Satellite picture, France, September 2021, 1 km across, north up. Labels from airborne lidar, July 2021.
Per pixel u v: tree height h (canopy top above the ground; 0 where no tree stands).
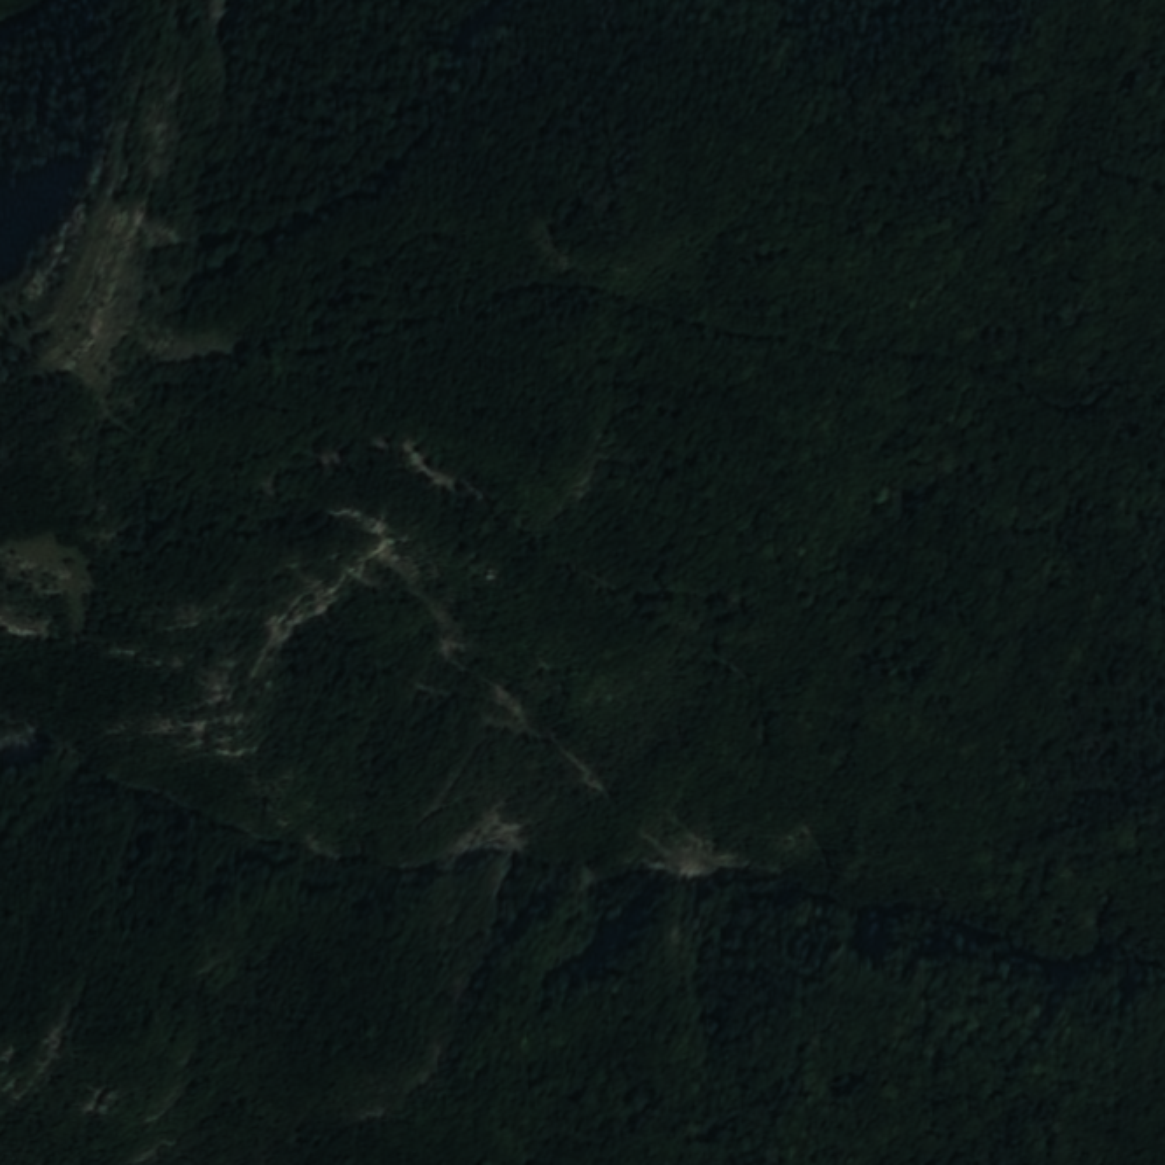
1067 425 30
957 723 19
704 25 25
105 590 15
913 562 37
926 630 36
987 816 31
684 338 30
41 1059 9
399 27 31
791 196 31
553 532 17
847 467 22
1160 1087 24
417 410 23
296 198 21
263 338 14
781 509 27
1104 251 35
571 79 23
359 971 34
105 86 11
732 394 27
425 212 18
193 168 11
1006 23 33
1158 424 32
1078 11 26
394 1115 11
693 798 20
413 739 22
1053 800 23
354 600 16
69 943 24
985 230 31
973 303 30
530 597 23
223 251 31
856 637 31
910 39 33
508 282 28
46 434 16
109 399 11
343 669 24
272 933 22
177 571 27
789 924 30
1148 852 36
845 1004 24
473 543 16
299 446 17
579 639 16
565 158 26
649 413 33
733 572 24
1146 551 29
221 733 9
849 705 23
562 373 21
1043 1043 25
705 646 14
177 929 18
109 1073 15
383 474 21
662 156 17
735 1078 22
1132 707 7
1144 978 27
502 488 25
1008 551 34
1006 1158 24
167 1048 15
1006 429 28
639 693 16
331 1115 18
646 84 26
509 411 24
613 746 15
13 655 21
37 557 0
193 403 19
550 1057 23
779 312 26
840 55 28
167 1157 18
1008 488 34
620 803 24
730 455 27
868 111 25
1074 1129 26
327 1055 28
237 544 27
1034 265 36
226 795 10
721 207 20
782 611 28
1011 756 26
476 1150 27
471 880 10
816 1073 34
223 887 19
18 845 22
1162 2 30
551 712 26
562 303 30
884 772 20
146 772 10
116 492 10
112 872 30
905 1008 24
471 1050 27
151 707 10
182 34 16
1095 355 21
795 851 8
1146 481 29
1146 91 35
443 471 20
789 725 23
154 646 11
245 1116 24
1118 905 33
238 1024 22
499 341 23
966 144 29
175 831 17
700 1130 25
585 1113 30
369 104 30
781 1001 25
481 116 28
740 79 26
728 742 26
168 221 8
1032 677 29
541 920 12
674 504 27
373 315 20
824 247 22
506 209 24
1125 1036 19
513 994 31
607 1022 26
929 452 36
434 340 26
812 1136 33
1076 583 34
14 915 20
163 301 7
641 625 21
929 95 26
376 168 27
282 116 18
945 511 29
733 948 33
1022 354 22
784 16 18
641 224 14
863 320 20
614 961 20
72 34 13
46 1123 19
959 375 36
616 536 29
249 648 13
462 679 17
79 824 19
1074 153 33
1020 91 28
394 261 33
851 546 30
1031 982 33
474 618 19
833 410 25
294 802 19
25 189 6
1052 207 33
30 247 9
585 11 26
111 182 14
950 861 27
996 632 26
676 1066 25
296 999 20
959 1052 28
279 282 20
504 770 17
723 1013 31
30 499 16
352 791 14
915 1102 29
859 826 17
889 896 18
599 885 14
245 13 27
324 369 23
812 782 22
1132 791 18
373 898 14
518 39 26
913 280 22
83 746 15
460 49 13
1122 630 26
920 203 29
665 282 16
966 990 31
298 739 17
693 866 0
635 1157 30
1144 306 24
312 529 22
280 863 8
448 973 20
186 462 18
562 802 18
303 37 28
